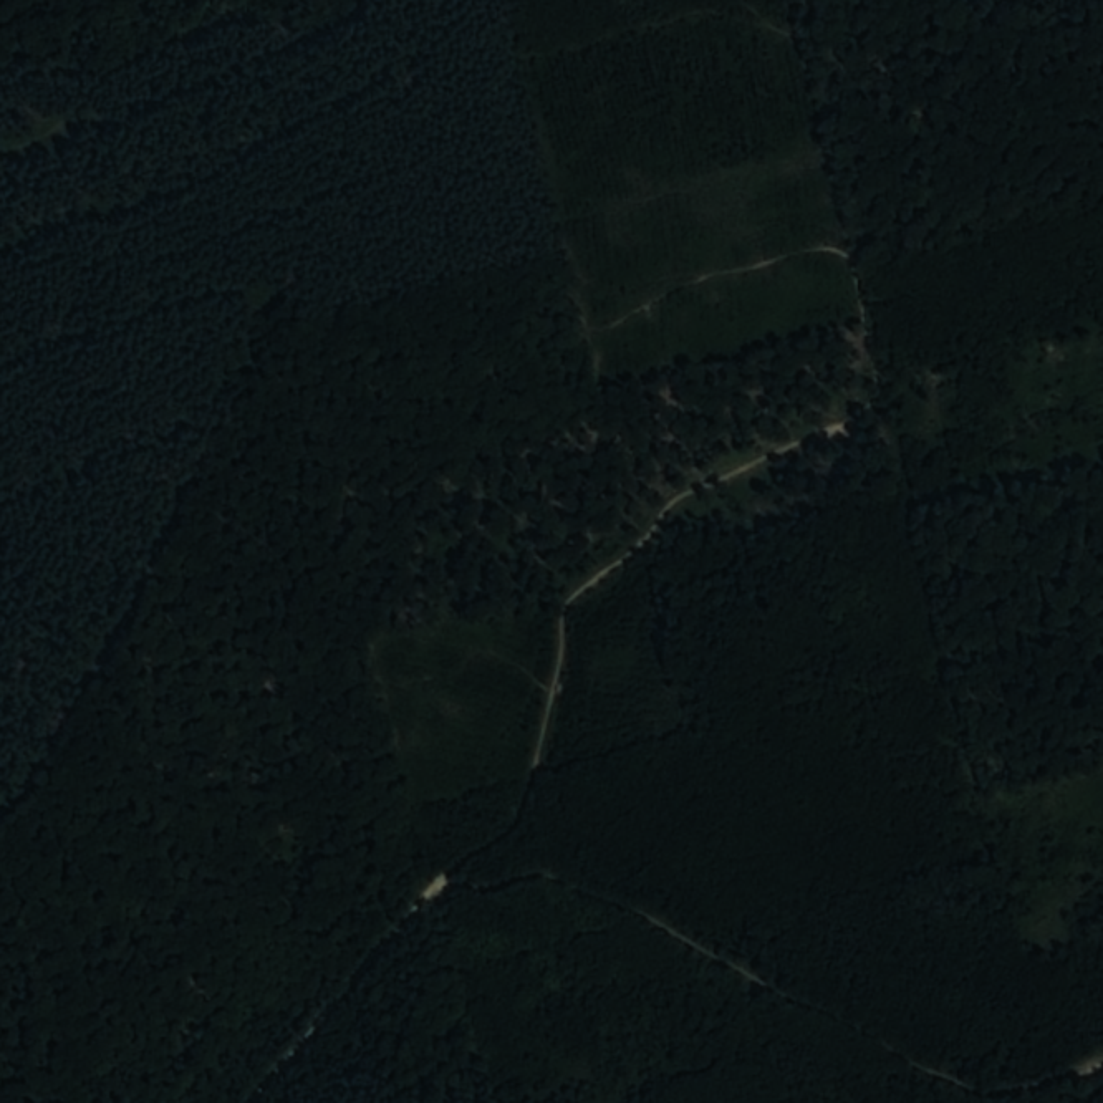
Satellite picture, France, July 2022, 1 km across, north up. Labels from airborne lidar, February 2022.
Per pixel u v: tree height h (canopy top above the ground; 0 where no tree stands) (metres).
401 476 29
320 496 27
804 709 7
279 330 26
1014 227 8
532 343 27
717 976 18
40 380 29
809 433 0
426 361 27
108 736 24
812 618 15
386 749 24
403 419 28
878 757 8
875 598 15
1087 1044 16
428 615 31
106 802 24
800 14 17
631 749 11
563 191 0
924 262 14
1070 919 13
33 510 30
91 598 28
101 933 9
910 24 29
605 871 19
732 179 0
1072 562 24
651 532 0
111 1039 27
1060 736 23
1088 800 0
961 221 31
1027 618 23
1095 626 25
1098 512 29
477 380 27
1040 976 18
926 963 20
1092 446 0
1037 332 11
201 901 28
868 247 26
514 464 31
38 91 28
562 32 12
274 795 30
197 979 25
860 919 22
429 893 0
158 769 24
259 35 27
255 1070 24
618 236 0
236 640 24
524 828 13
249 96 33
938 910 27
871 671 14
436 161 27
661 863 13
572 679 7
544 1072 8
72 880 29
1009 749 25
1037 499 26
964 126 28
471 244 33
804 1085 21
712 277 0
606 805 15
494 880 14
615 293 0
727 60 0
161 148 32
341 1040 21
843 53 24
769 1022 15
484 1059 8
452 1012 21
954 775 11
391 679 0
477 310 24
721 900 13
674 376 27
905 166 31
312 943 26
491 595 30
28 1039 28
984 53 25
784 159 0
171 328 33
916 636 13
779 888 13
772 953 21
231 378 18
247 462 25
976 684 24
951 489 9
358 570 30
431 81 27
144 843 27
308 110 25
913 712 9
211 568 24
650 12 11
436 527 32
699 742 16
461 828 12
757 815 13
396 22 24
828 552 18
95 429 33
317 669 27
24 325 35
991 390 8
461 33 28
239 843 26
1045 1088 12
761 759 10
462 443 31
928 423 0
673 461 29
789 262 0
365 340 22
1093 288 8
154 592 25
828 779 13
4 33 25
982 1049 11
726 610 20
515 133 24
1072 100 26
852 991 17
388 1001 22
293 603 30
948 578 9
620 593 5
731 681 19
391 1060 21
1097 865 6
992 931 22
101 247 31
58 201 33
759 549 22
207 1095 23
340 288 24
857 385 29
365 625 30
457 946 16
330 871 31
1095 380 0
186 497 24
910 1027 16
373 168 27
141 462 32
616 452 28
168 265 30
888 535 15
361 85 25
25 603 31
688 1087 13
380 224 29
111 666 25
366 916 22
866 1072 15
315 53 27
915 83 26
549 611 28
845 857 15
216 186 28
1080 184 25
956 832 12
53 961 27
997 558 25
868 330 8
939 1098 11
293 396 27
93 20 27
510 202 30
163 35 25
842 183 28
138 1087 24
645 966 13
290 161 29
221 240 28
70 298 28
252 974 23
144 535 32
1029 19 28
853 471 32
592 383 27
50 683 35
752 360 29
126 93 23
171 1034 27
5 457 30
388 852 27
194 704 26
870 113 28
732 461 0
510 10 11
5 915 27
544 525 34
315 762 25
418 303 26
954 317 14
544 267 28
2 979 26
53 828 22
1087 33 31
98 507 30
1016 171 28
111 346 32
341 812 31
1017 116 28
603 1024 10
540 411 26
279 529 25
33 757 25
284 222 31
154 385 30
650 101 7
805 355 29
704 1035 9
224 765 27
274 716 25
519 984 9
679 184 0
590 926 7
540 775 16
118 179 30
